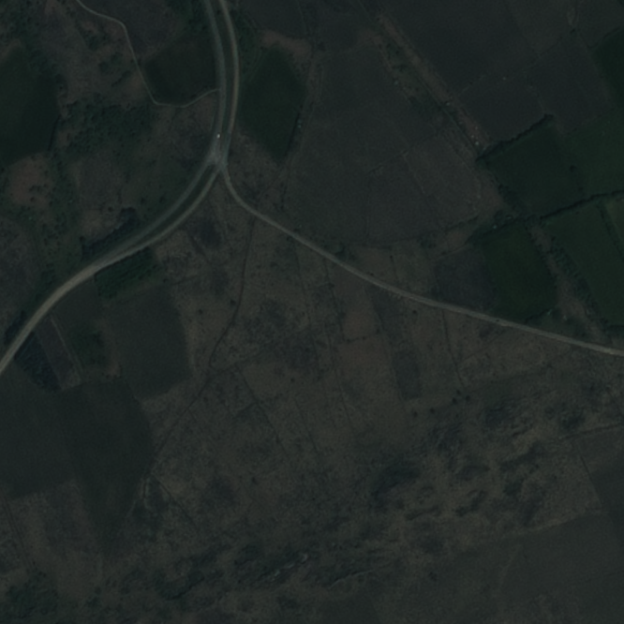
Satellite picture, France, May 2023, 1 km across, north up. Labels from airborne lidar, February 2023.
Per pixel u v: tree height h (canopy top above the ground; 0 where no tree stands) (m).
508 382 0
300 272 0
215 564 0
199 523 0
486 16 0
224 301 0
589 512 0
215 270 0
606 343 0
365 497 0
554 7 0
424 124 0
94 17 0
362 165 0
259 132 0
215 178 0
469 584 0
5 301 0
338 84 0
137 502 0
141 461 0
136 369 0
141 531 0
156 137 0
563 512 0
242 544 0
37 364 11
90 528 0
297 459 0
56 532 0
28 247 0
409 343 0
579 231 0
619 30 0
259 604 0
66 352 0
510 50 0
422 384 0
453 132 0
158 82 0
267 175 0
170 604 0
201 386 0
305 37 0
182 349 0
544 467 0
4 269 0
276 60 0
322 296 0
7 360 0
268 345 0
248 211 0
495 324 0
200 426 0
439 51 0
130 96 0
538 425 0
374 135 0
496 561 0
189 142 0
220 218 0
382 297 0
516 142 9
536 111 0
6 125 0
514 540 0
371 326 0
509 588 0
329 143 0
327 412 0
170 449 0
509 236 0
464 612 0
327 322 0
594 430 0
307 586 0
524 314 0
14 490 0
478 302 0
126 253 0
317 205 0
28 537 0
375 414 0
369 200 0
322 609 0
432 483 0
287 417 0
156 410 0
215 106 0
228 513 0
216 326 0
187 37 0
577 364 0
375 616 0
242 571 0
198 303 0
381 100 0
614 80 0
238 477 0
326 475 0
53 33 0
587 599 0
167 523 0
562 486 0
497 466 0
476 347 0
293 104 0
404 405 0
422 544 0
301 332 0
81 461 0
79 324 0
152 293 0
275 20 0
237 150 0
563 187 0
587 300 7
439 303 0
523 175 0
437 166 0
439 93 0
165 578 0
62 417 0
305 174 0
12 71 0
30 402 0
